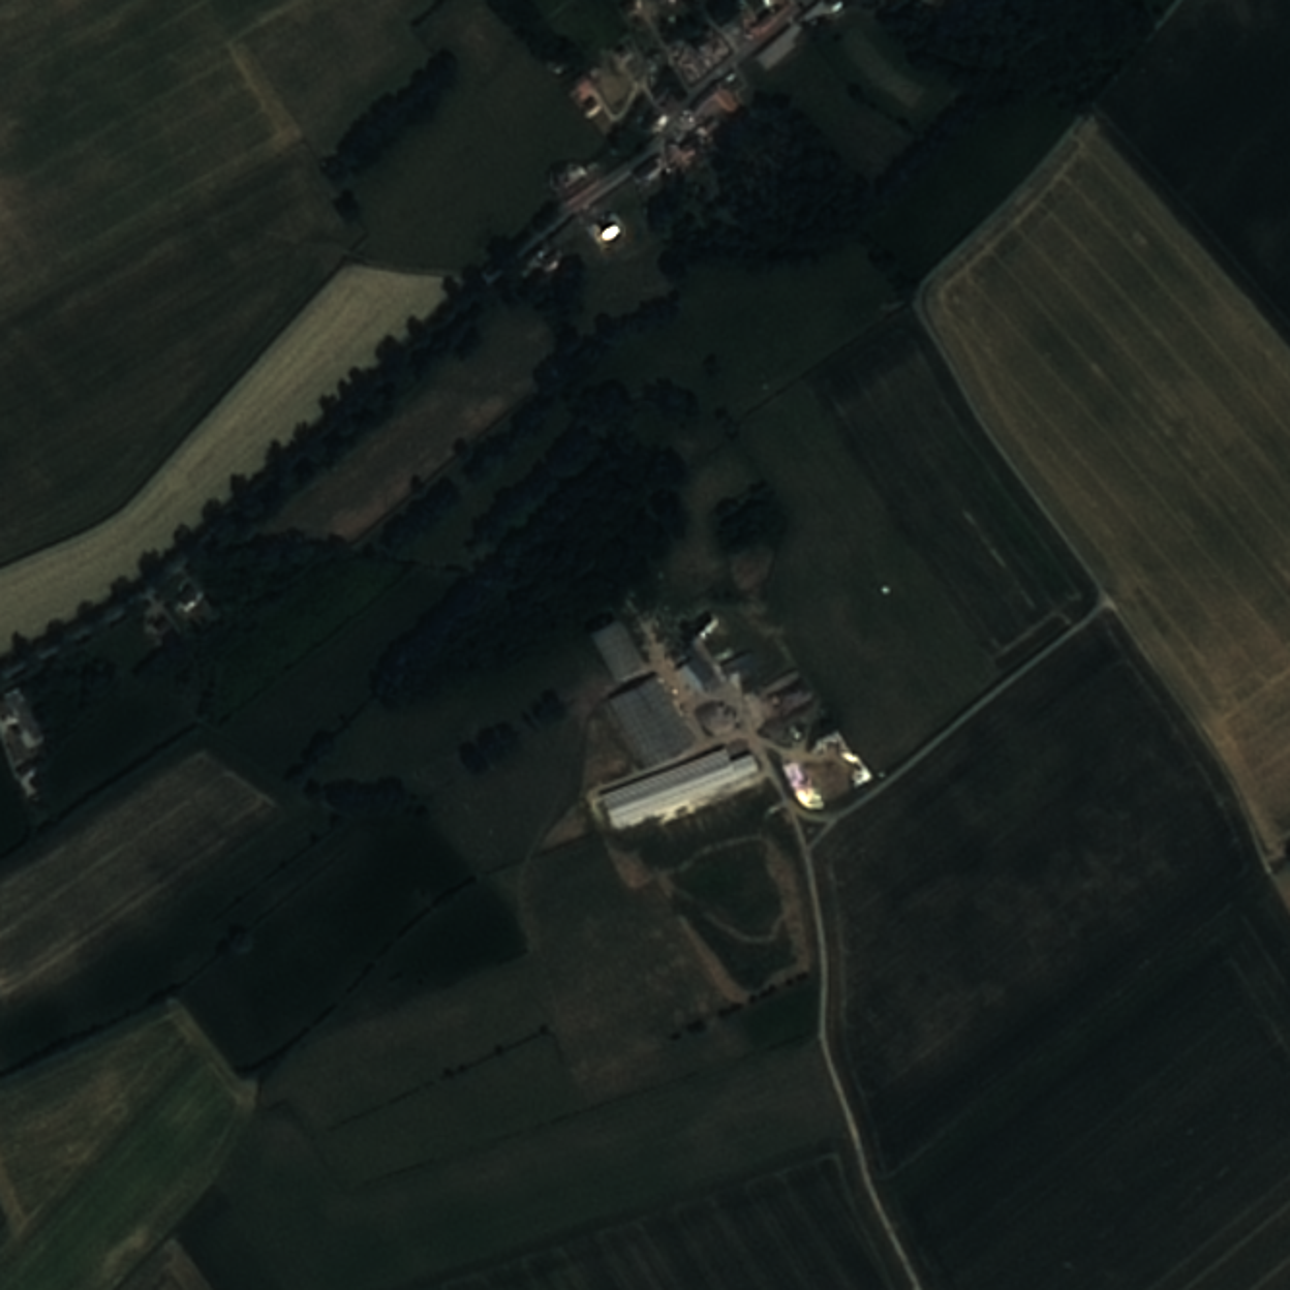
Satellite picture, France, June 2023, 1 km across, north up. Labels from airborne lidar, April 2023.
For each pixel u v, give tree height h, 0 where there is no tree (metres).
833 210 18
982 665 0
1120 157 0
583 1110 0
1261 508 0
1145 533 0
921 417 0
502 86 0
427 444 0
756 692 0
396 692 20
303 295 0
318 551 12
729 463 0
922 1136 0
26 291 0
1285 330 0
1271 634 0
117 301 0
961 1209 0
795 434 0
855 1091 0
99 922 0
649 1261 0
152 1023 0
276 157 0
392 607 0
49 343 0
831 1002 0
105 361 0
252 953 0
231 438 0
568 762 0
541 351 0
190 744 0
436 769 0
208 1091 0
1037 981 0
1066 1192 0
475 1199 0
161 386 0
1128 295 0
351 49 0
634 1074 0
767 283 0
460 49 0
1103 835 0
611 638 0
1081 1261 0
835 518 0
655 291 0
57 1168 0
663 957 0
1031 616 0
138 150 0
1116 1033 0
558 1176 0
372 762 0
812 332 0
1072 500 0
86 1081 0
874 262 12
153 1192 0
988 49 20
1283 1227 0
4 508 0
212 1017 0
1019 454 0
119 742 0
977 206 0
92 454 0
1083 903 0
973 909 0
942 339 0
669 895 0
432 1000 0
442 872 0
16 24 0
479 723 0
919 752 0
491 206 0
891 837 0
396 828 0
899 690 0
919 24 8
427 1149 0
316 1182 0
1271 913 0
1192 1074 0
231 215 0
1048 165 0
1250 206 0
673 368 0
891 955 0
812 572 0
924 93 0
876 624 0
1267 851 0
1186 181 0
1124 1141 0
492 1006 0
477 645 25
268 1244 0
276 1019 0
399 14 0
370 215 0
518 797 0
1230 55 0
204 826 0
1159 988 0
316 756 13
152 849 0
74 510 0
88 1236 0
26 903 0
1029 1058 0
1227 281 0
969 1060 0
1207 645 0
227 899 0
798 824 0
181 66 0
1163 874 0
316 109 0
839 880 0
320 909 0
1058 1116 0
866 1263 0
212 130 0
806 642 0
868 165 0
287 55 0
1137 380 0
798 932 0
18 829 0
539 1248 0
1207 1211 0
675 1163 0
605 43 0
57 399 0
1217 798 0
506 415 0
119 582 0
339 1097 0
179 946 0
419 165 0
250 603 9
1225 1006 0
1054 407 0
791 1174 0
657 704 0
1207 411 0
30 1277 0
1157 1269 0
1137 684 0
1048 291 0
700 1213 0
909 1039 0
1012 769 0
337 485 0
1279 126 0
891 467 0
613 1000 0
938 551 0
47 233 0
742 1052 0
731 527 8
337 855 0
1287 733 0
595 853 0
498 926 0
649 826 0
